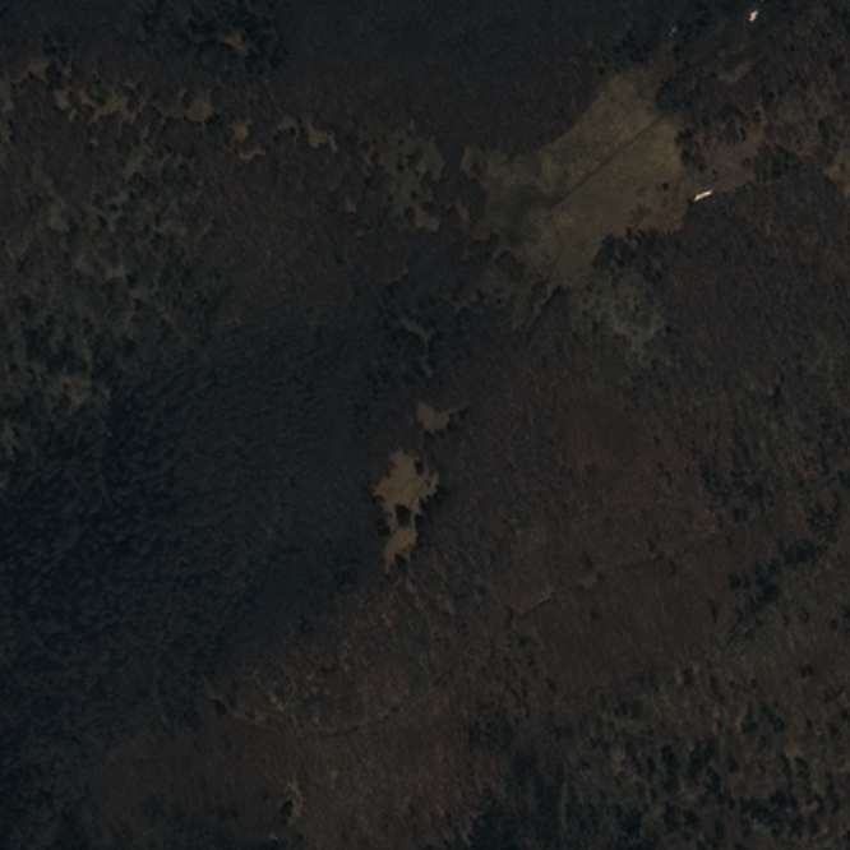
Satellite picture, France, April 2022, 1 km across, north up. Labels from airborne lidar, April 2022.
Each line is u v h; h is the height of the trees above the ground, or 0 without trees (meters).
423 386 8
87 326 21
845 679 15
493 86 11
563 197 0
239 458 18
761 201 19
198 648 15
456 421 9
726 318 17
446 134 8
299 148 10
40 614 16
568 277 0
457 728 17
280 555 17
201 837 18
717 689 17
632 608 16
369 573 14
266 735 13
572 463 13
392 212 11
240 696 12
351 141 8
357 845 17
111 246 13
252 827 10
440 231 10
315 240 15
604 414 14
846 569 22
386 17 18
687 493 18
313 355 18
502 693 20
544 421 21
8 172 13
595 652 11
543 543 15
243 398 18
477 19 16
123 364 23
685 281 17
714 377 21
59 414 23
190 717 15
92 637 23
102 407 20
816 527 18
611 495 16
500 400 15
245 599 16
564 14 14
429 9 17
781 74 9
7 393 26
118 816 17
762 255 20
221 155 10
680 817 24
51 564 28
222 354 24
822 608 17
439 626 11
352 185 12
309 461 15
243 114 11
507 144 7
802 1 7
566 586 15
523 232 0
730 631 20
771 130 14
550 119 11
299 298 17
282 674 17
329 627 14
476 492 18
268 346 20
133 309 16
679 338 19
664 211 0
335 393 15
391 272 10
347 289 13
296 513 17
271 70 8
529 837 24
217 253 18
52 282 20
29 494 22
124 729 13
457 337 11
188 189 7
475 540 13
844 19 13
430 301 10
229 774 12
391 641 22
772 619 19
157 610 23
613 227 0
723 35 0
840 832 17
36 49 8
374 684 16
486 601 27
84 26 11
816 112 10
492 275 0
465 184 7
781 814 9
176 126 8
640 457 13
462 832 20
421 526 17
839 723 14
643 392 22
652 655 16
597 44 10
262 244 16
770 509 16
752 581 17
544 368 16
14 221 22
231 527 22
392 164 0
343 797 18
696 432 15
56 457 26
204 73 9
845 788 17
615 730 24
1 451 18
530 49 13
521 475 22
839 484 15
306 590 12
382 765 18
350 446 14
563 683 15
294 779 12
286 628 10
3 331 25
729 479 19
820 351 16
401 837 18
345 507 15
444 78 13
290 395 17
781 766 19
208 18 9
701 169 9
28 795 15
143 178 6
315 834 16
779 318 17
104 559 18
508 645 19
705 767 18
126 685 16
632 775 6
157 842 18
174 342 25
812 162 14
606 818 25
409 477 0
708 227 12
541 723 20
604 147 0
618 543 16
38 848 14
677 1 10
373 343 15
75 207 14
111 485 22
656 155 0
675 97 9
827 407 21
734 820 13
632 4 12
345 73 13
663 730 17
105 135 10
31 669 20
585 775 19
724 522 19
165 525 20
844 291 23
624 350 19
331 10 18
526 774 22
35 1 10
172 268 12
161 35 14
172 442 20
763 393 20
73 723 16
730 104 10
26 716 13
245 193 12
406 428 11
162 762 13
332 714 22
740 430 16
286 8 16
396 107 9
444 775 17
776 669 16
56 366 29
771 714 15
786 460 21
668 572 20
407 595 17
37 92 9
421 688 25
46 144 12
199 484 19
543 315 7
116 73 9
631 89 0
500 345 11
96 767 17
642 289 9
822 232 21
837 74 10
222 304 17
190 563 23
